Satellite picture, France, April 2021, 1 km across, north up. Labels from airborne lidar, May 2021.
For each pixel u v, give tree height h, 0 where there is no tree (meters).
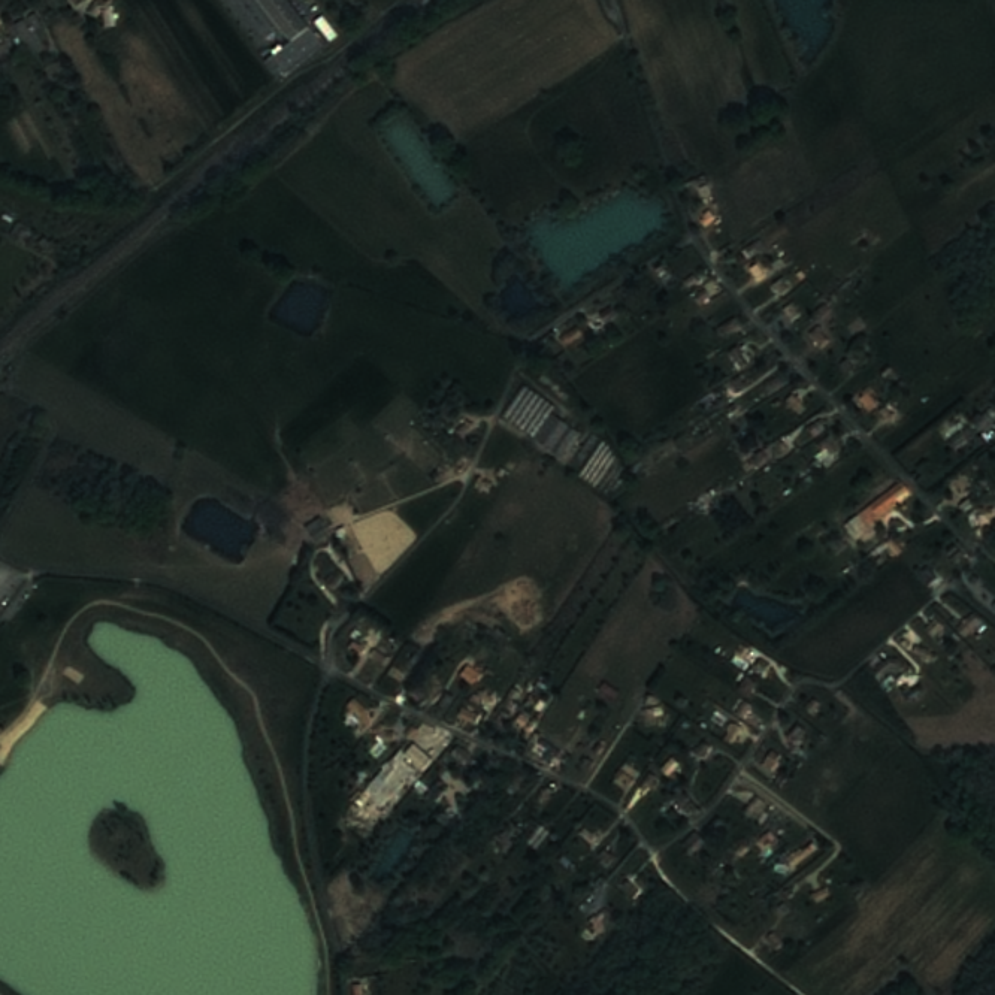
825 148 0
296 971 0
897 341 0
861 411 10
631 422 0
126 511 19
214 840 0
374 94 0
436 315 0
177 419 0
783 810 0
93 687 0
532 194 0
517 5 0
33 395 0
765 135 17
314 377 0
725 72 0
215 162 0
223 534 0
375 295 0
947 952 0
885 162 0
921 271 0
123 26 0
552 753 0
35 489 0
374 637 0
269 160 18
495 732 12
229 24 0
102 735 0
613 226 0
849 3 0
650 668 0
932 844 0
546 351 14
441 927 12
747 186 0
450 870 10
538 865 15
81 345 0
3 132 0
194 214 18
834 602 13
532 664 11
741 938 0
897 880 0
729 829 6
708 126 0
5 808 0
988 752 16
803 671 0
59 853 0
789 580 0
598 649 0
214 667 0
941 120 0
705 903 0
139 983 0
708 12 0
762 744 0
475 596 0
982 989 14
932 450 0
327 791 0
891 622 0
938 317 0
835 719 0
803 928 0
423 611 0
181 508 0
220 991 0
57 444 6
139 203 21
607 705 9
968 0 0
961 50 0
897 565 0
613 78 0
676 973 20
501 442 0
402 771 0
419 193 7
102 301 0
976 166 14
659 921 13
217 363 0
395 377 0
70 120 9
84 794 0
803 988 0
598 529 0
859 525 0
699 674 0
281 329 0
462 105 0
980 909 0
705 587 6
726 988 0
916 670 0
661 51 0
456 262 0
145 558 0
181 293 0
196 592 0
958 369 0
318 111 10
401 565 0
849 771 0
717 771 0
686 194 9
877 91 0
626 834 13
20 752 0
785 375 11
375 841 7
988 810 16
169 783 0
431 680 17
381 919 8
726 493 0
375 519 0
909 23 0
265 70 0
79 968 0
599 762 0
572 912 8
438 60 0
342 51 0
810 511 0
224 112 0
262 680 0
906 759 0
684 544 0
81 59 0
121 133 0
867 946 0
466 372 0
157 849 0
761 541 7
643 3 0
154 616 0
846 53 0
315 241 0
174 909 0
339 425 0
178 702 0
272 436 0
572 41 0
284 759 0
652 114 8
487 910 12
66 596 0
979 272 11
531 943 7
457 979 11
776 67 0
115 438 0
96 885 0
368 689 0
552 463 7
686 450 0
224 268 0
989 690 0
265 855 0
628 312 7
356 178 0
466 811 10
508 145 0
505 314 17
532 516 0
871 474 10
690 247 0
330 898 0
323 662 0
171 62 0
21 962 0
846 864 7
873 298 0
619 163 0
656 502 0
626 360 0
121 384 0
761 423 11
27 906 0
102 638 0
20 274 0
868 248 0
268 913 0
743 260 8
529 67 0
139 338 0
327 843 0
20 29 0
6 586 0
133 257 0
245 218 0
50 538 0
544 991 0
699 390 0
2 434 0
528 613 0
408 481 0
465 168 17
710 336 10
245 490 0
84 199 19
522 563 0
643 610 0
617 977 9
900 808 0
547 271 6
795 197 0
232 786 0
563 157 13
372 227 0
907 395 10
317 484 0
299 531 0
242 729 0
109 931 0
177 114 0
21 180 15
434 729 0
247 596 0
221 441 0
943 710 0
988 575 0
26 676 16
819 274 0
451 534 0
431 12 13
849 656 0
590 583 0
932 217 0
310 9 0
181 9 0
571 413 0
